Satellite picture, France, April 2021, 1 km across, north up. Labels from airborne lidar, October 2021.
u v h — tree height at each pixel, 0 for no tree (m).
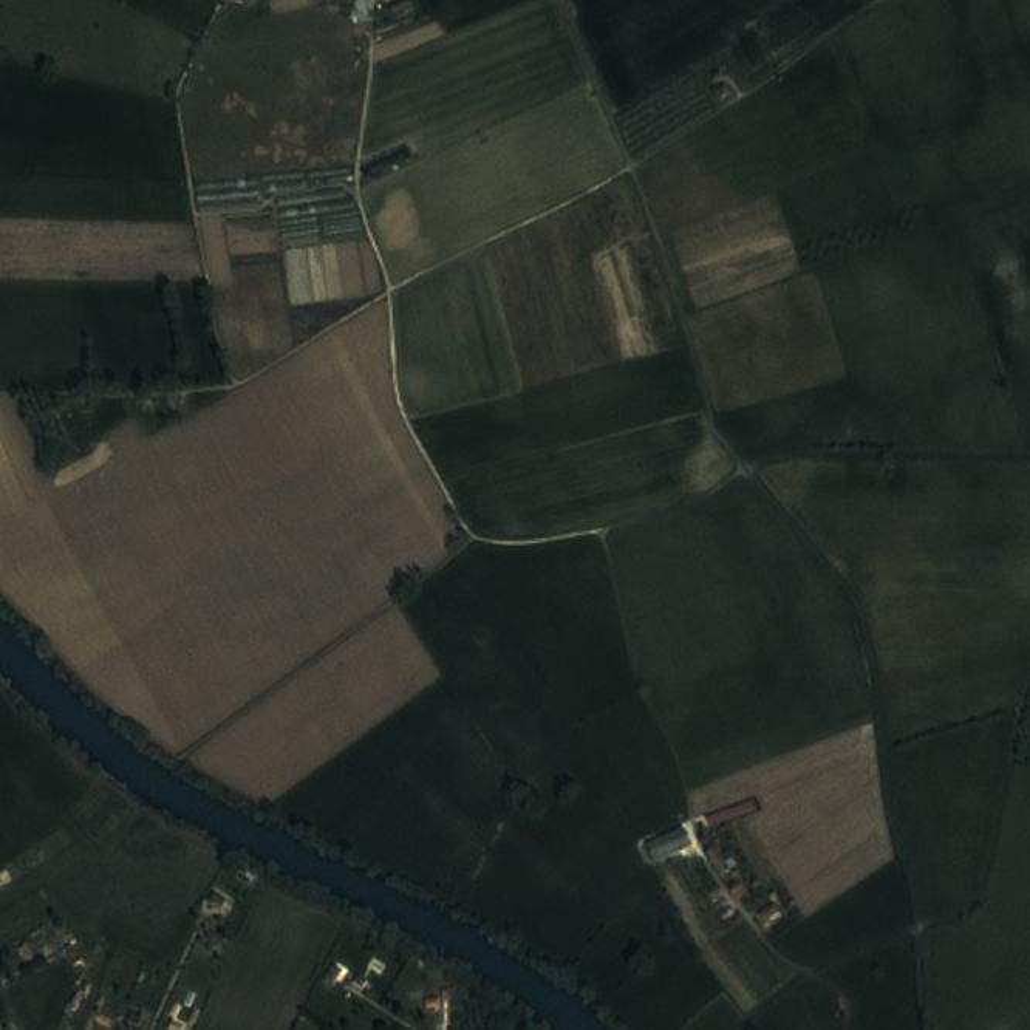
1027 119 0
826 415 0
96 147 0
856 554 0
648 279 0
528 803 20
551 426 0
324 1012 0
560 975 9
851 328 0
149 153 0
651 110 8
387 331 0
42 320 0
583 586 0
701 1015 0
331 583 0
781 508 0
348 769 0
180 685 0
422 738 0
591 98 0
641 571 0
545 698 0
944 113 0
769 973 0
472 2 0
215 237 0
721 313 0
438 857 0
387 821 0
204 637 0
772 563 0
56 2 0
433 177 0
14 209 0
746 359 0
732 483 0
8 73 0
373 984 0
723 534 0
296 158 0
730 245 0
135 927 0
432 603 0
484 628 0
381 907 0
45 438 20
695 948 6
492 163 0
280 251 0
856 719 0
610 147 0
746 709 0
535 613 0
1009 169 0
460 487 0
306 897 15
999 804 0
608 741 0
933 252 0
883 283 0
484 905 0
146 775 0
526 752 0
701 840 11
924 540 0
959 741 0
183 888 0
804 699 0
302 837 20
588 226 0
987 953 0
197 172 0
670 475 0
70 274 0
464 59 0
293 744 0
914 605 0
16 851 0
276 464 0
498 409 0
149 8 0
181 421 18
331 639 0
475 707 0
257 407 0
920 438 0
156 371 0
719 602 0
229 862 19
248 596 0
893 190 0
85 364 15
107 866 0
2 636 0
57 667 8
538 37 0
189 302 0
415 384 0
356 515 0
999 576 0
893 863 0
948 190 0
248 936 0
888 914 0
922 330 0
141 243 0
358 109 0
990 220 0
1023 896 0
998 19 0
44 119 0
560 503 0
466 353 0
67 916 0
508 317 0
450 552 13
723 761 0
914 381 0
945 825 0
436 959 17
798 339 0
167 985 0
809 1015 0
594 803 0
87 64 0
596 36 0
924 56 0
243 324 0
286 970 0
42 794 0
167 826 7
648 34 0
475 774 0
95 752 0
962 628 0
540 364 0
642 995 0
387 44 0
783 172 0
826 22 0
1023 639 0
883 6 0
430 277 0
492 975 0
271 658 0
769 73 0
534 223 0
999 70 0
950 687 0
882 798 0
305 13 0
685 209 0
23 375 0
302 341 0
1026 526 0
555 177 0
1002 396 19
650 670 0
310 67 0
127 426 0
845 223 0
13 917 0
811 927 0
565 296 0
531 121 0
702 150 0
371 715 0
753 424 0
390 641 0
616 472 0
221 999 0
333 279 0
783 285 0
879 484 0
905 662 0
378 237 0
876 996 0
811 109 0
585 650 0
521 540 0
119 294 0
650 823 0
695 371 0
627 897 0
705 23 0
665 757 0
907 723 0
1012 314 0
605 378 0
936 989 0
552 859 0
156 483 0
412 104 0
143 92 0
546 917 0
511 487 0
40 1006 0
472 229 0
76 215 0
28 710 16
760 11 0
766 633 0
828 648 0
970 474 0
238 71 0
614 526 0
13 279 0
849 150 0
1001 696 0
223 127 0
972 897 0
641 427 0
